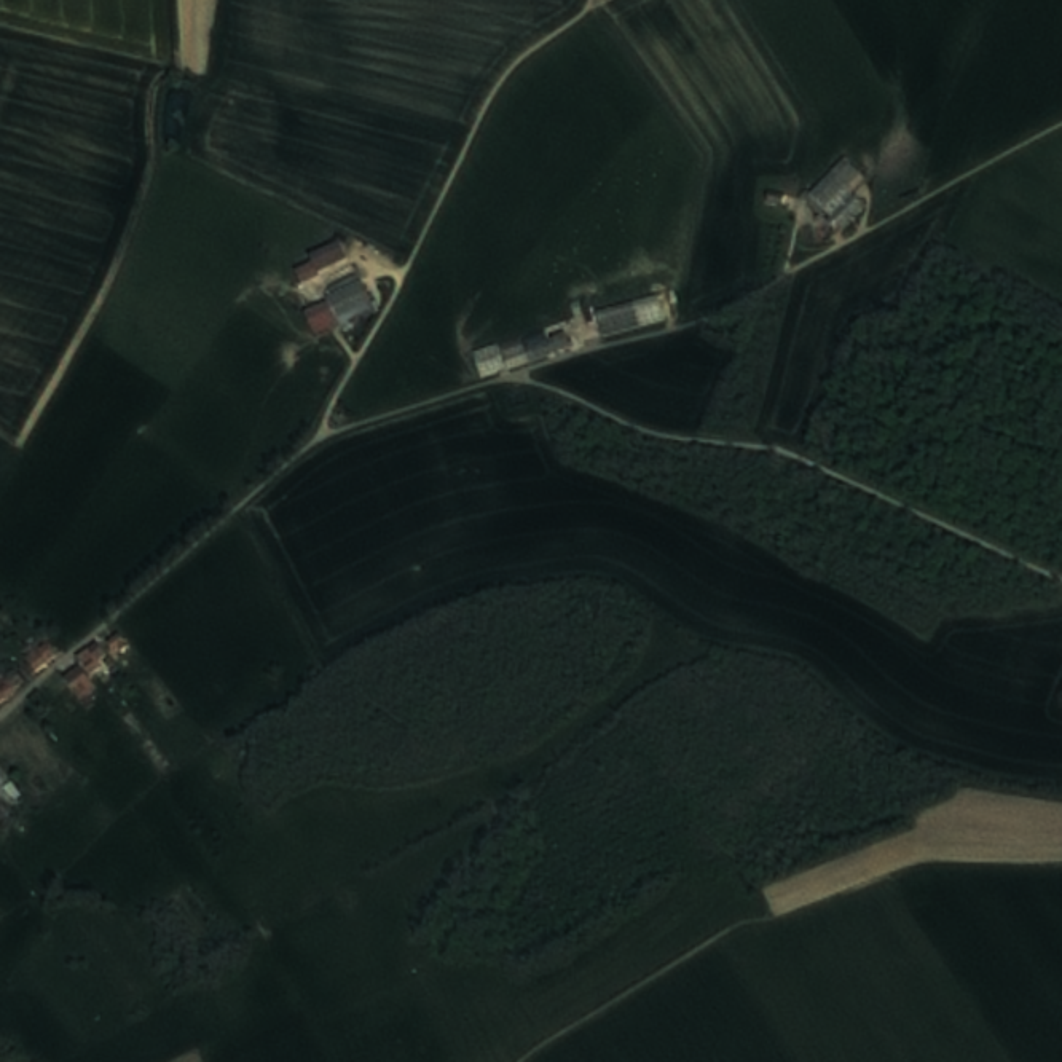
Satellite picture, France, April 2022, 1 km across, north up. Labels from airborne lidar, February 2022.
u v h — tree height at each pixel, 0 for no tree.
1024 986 0
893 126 0
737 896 0
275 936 0
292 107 0
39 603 0
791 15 0
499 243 0
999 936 0
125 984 0
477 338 0
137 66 0
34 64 0
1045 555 17
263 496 0
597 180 0
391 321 0
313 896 0
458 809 0
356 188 0
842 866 0
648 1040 0
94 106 0
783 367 0
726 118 0
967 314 22
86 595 0
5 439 0
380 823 0
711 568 0
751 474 13
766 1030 0
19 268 0
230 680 0
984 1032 0
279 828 0
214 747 0
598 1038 0
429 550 0
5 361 0
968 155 0
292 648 0
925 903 0
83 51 0
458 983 0
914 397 25
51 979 0
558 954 25
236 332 0
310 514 0
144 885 0
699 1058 0
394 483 0
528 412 0
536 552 0
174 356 0
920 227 0
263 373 0
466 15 0
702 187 0
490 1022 0
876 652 0
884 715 0
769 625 0
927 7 0
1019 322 21
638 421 0
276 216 0
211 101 0
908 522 19
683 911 0
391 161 0
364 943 0
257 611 0
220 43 0
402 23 0
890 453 9
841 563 12
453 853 0
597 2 0
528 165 0
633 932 0
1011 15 0
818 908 0
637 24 0
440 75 0
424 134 0
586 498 0
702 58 0
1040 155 0
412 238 0
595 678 13
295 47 0
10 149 0
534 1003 0
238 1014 0
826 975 0
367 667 18
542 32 0
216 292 0
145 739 0
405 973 0
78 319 0
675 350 0
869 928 0
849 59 0
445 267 0
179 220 0
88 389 0
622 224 0
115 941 0
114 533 0
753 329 22
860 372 20
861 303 0
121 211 0
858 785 12
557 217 0
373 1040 0
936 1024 0
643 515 0
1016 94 0
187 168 0
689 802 10
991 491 22
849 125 0
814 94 0
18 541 0
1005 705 0
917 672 0
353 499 0
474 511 0
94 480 0
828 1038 0
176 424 0
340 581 0
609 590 9
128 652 0
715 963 0
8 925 0
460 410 0
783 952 0
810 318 0
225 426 0
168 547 0
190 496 0
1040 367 13
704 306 0
